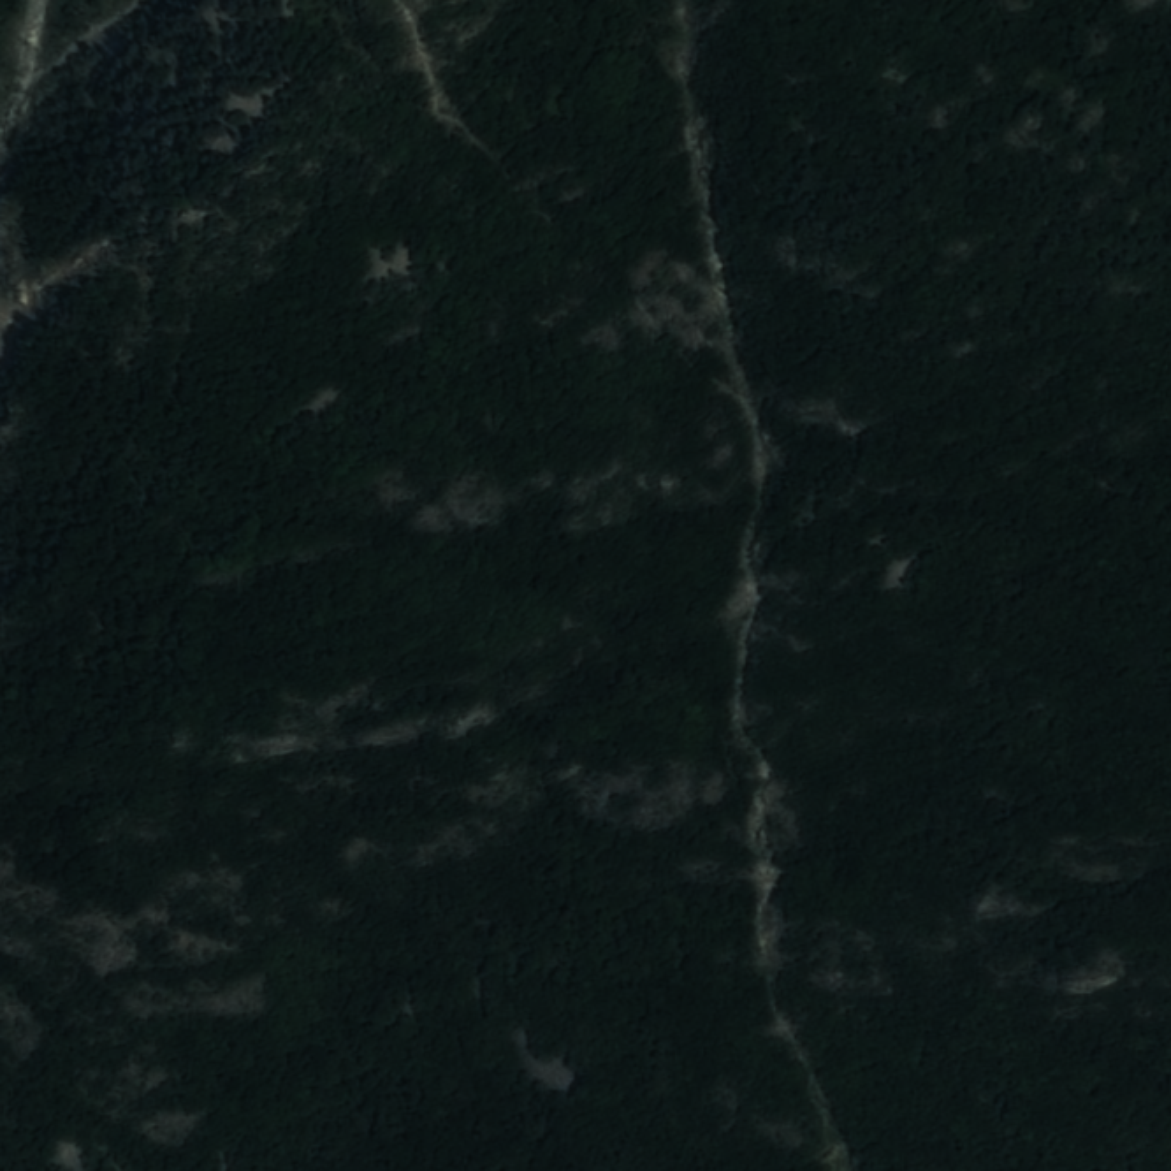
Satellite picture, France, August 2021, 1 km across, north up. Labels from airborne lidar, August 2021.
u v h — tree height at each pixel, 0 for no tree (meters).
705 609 12
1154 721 24
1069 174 9
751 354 12
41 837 16
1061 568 27
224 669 29
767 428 9
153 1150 15
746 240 10
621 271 15
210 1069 14
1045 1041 18
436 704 28
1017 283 9
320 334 17
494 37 8
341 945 21
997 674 11
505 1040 24
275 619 25
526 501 12
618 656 9
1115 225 17
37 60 0
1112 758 17
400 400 19
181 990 11
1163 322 13
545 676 12
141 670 21
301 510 15
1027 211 11
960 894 12
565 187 16
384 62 10
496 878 16
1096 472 19
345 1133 25
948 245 6
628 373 21
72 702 23
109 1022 15
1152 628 26
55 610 16
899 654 20
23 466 22
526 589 25
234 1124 17
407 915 14
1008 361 13
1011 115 8
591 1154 31
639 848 18
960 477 17
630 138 20
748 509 20
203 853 13
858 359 19
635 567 13
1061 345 15
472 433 21
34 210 14
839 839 13
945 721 13
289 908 9
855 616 12
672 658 19
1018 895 10
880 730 13
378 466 20
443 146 13
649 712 14
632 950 28
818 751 10
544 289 12
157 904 10
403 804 17
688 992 23
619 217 32
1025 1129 22
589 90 24
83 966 7
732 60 14
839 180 16
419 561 30
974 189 13
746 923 14
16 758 13
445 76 12
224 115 20
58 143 15
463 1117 35
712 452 7
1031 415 19
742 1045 13
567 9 9
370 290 16
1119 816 20
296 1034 16
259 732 27
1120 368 13
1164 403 14
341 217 16
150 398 27
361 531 16
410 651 25
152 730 29
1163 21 16
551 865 18
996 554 15
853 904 16
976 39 12
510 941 20
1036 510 15
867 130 12
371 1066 18
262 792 16
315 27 9
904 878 11
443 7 6
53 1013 18
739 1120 11
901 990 13
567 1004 20
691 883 16
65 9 7
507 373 21
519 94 8
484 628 19
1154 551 23
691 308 7
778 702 13
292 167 15
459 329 18
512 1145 30
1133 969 10
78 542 21
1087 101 8
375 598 21
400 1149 25
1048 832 17
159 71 11
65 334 9
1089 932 21
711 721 12
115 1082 10
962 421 12
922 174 8
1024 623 19
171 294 12
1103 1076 17
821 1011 10
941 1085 21
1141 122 7
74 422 22
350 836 15
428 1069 25
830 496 11
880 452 18
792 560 12
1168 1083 27
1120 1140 21
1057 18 16
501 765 8
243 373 19
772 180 15
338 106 10
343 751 24
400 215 20
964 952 11
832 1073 14
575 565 15
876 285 11
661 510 18
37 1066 15
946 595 11
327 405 6
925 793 11
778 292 17
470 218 9
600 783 10
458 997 23
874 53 10
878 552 15
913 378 16
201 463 15
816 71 13
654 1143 27
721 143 7
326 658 25
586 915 23
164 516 22
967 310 7
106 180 16
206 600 27
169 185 26
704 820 10
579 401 16
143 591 31
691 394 17
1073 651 20
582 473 10
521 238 15
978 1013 17
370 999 22
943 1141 25
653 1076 22
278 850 16
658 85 18
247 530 27
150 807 18
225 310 13
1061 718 21
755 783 8
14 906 6
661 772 11
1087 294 23
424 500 7
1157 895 21
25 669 17
